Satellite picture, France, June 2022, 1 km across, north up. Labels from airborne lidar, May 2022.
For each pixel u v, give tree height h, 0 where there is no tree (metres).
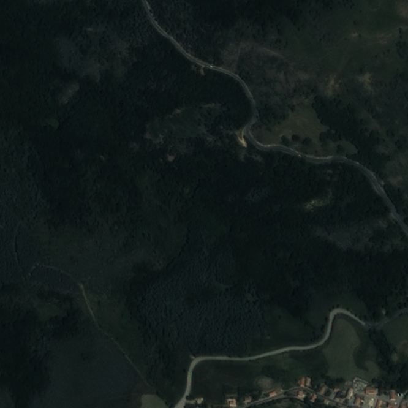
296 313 18
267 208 19
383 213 8
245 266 29
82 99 15
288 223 29
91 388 0
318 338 12
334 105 9
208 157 12
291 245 16
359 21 0
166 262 6
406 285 16
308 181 5
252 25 7
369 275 25
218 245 14
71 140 29
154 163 21
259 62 0
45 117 12
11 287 10
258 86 0
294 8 10
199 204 18
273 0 19
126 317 0
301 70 0
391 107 0
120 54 7
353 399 0
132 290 17
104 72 10
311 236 19
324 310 0
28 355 11
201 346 11
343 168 9
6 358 19
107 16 12
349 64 0
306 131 0
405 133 0
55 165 27
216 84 13
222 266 24
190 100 24
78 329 12
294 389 0
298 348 0
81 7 17
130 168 15
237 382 0
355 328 0
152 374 9
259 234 19
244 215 13
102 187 9
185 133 0
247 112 17
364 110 0
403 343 0
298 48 0
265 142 0
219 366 0
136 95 18
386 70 0
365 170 0
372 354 0
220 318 15
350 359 0
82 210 16
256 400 12
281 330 0
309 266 12
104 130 19
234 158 9
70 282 10
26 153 15
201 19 15
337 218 13
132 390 0
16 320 22
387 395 12
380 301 9
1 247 12
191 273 23
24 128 17
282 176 11
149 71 22
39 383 14
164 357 18
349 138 17
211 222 13
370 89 0
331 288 8
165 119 8
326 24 0
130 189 11
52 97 11
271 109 13
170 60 10
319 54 0
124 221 6
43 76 17
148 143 15
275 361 0
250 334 23
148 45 7
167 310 17
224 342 21
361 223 9
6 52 21
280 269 17
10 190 12
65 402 0
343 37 0
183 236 9
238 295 23
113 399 0
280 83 0
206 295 22
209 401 0
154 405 0
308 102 0
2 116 20
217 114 0
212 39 8
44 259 10
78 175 14
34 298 0
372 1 0
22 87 16
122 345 0
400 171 0
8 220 14
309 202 11
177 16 7
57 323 14
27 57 26
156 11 11
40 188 19
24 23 26
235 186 19
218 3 25
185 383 0
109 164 19
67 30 20
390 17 0
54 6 9
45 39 12
